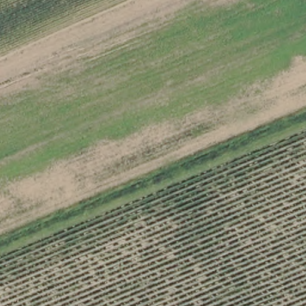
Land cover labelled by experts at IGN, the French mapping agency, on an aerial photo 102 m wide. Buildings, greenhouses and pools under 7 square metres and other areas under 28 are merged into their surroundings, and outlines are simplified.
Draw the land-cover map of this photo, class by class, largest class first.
<instances>
[{"label":"agricultural land","instance_id":"1","mask_svg":"<svg viewBox=\"0 0 306 306\"><path fill-rule=\"evenodd\" d=\"M127 0H0V56ZM129 23L124 22L98 35L63 45L53 53L37 57L35 68L0 81V234L55 210L71 206L112 186L126 183L131 178L141 177L161 166H169L173 161L180 159L175 151L182 148L190 137L195 139L210 130L238 121H247L257 112L270 110L271 106L279 102V96L269 99L264 93L273 87V78L289 69L295 56H306V0H195L176 12L149 19L130 29ZM55 164L65 167L75 182L79 183L73 190L72 197L67 198L65 202L60 203L56 197H48L42 201H38L37 198L20 200L10 192L13 188H18L20 180L24 178L37 179L42 175L50 178V167Z\"/></svg>","mask_w":306,"mask_h":306},{"label":"vineyard","instance_id":"2","mask_svg":"<svg viewBox=\"0 0 306 306\"><path fill-rule=\"evenodd\" d=\"M0 306H306V130L290 135L288 139L279 140L276 145L264 146L239 155L225 164L216 166V171H203L167 185L155 194H148L126 203L124 208H112L104 215H96L91 220L78 222L48 237L0 255Z\"/></svg>","mask_w":306,"mask_h":306},{"label":"plowed land","instance_id":"3","mask_svg":"<svg viewBox=\"0 0 306 306\"><path fill-rule=\"evenodd\" d=\"M195 0H127L0 56V81L35 68L37 57L53 53L63 45L98 35L124 22L129 23L130 29L149 19L176 12ZM264 93L269 99L279 96V102L271 106L270 110L257 112L247 121H238L210 130L195 139L190 137L182 148L175 151L180 159L306 106V56H295L289 69L273 78V87ZM50 178L42 175L37 179L24 178L20 180L18 188H13L10 192L20 200L37 198L38 201H42L48 197H56L60 203L65 202L67 198L72 197L73 190L79 183L75 182L65 167L55 164L50 167Z\"/></svg>","mask_w":306,"mask_h":306},{"label":"herbaceous vegetation","instance_id":"4","mask_svg":"<svg viewBox=\"0 0 306 306\"><path fill-rule=\"evenodd\" d=\"M306 130V106L180 159L173 161L169 166H161L141 177L131 178L126 183L112 186L71 206L55 210L0 234V255L48 237L78 222L91 220L96 215H104L112 208H124L126 203L148 194H155L167 185L203 171H216V166L225 164L239 155L264 146L276 145L279 140L288 139L290 135Z\"/></svg>","mask_w":306,"mask_h":306}]
</instances>
